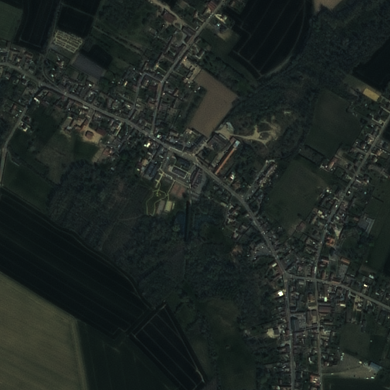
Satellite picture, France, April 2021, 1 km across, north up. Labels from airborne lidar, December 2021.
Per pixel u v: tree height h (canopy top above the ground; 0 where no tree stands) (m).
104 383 0
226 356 0
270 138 0
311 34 18
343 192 0
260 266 6
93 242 10
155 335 0
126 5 20
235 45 0
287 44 0
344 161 0
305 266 0
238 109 12
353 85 0
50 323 0
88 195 31
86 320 0
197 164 0
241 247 17
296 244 10
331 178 0
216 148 21
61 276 0
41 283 0
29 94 0
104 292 0
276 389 0
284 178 0
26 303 0
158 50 7
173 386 0
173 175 0
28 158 0
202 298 25
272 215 0
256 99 14
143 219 11
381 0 35
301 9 0
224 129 0
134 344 0
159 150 0
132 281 0
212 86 0
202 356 0
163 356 0
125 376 0
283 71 8
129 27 12
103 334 0
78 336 0
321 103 0
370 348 0
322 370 0
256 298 23
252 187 0
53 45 0
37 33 0
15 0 0
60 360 0
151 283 13
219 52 0
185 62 0
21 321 0
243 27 0
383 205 0
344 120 0
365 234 17
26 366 0
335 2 0
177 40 0
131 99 0
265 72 0
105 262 0
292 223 0
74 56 0
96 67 0
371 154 0
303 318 0
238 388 0
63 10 0
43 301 0
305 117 19
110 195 5
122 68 0
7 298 0
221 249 8
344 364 0
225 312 0
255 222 0
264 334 0
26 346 0
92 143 0
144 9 0
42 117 0
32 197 0
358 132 0
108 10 16
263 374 21
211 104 0
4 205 0
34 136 0
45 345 0
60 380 0
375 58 0
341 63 21
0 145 7
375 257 0
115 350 0
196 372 0
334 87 13
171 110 0
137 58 0
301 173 0
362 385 0
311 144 0
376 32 19
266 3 0
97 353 0
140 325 0
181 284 13
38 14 0
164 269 19
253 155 27
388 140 0
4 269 0
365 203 0
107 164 0
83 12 0
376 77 0
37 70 0
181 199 0
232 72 18
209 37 0
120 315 0
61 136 0
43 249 0
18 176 0
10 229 0
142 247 28
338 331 13
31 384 0
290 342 0
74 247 0
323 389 0
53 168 0
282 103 17
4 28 0
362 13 24
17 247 0
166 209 0
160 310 0
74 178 24
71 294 0
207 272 25
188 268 21
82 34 0
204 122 0
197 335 0
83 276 0
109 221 8
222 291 28
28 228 0
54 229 0
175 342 0
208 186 14
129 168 9
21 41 0
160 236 32
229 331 0
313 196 0
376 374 0
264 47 0
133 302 0
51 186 6
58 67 6
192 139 0
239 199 0
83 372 0
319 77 9
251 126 8
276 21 0
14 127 0
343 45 22
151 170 0
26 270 0
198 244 31
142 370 0
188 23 0
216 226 13
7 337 0
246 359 0
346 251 20
